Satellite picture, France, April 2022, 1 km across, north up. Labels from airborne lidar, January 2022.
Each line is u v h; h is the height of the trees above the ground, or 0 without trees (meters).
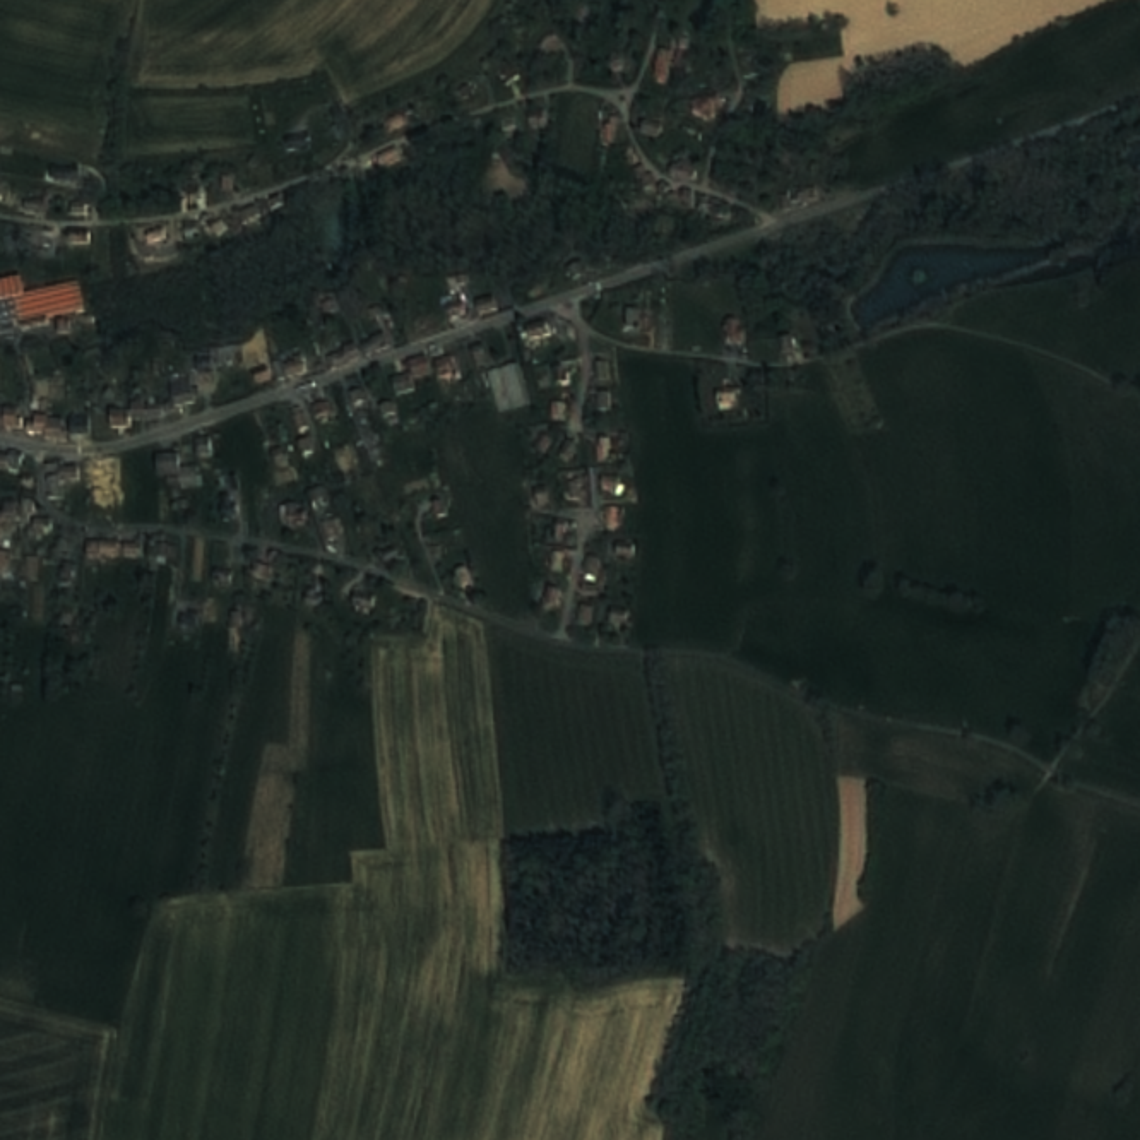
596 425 7
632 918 24
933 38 0
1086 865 0
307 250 17
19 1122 0
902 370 0
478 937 0
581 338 0
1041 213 18
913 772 0
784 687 0
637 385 0
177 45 0
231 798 0
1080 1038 0
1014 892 0
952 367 0
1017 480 0
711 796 0
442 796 0
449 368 0
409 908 0
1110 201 25
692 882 23
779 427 0
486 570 0
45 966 0
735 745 0
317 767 0
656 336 0
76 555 0
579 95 0
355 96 0
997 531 0
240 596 8
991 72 0
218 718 0
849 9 0
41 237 0
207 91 8
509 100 0
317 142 0
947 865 0
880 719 0
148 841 0
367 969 0
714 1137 0
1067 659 0
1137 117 22
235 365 0
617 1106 0
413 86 0
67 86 0
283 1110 0
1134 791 0
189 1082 0
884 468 0
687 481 0
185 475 0
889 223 19
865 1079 0
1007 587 0
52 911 0
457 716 0
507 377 0
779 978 23
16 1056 0
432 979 0
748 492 0
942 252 0
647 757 0
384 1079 0
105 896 0
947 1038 0
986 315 0
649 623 0
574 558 0
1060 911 0
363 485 0
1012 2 0
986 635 0
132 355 18
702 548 0
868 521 0
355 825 0
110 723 0
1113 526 0
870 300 0
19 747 0
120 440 0
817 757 0
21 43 0
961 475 0
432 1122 0
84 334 18
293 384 0
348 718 0
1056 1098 0
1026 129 0
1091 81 0
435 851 0
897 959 0
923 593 15
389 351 0
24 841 0
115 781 0
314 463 0
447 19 0
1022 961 0
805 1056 0
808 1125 0
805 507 0
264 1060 0
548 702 0
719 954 19
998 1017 0
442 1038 0
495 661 0
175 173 6
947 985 0
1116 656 26
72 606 8
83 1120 0
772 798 0
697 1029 15
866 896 8
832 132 18
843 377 0
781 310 17
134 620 0
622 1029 0
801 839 0
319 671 0
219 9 0
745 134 18
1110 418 0
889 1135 0
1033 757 0
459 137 11
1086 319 0
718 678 0
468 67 0
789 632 0
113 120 8
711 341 0
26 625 0
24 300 0
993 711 0
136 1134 0
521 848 14
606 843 12
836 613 0
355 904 0
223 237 0
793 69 0
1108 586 0
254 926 0
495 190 0
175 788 0
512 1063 0
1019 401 0
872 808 7
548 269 17
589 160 0
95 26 0
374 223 0
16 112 0
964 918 0
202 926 0
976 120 0
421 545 0
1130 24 0
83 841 0
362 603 0
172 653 0
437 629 0
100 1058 0
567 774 0
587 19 0
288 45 0
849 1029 0
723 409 0
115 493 0
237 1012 0
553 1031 0
